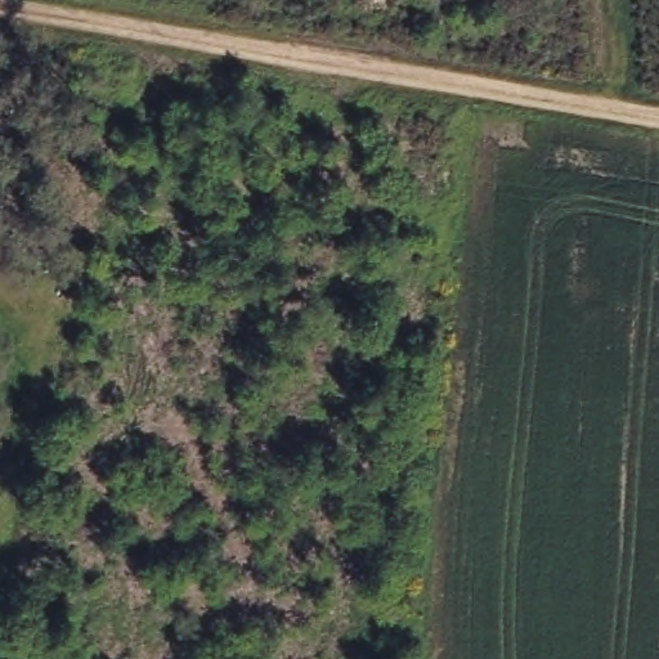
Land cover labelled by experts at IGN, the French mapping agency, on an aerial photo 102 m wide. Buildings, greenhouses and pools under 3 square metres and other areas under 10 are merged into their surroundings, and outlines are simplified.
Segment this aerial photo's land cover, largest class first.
<instances>
[{"label":"agricultural land","instance_id":"1","mask_svg":"<svg viewBox=\"0 0 659 659\"><path fill-rule=\"evenodd\" d=\"M458 108L466 116V134L474 139L469 175V216L463 239L461 291L458 319H466V332L458 337V345L453 350V358L458 363L453 366L456 371L450 378V404L443 417L445 445L440 453L443 458L435 497L432 551V559L443 564V602H430L427 618V623L443 636L440 659H659V126H636L623 121L589 118L463 95L458 100ZM18 512V507L10 494L0 489V584L8 566L31 569L39 559L31 535H13V515Z\"/></svg>","mask_w":659,"mask_h":659},{"label":"deciduous trees","instance_id":"2","mask_svg":"<svg viewBox=\"0 0 659 659\"><path fill-rule=\"evenodd\" d=\"M245 100L239 111L221 116V111L206 113L193 111L185 103H172L165 113L162 142L154 144L152 139H139L126 154L111 152L100 157L103 165L108 162L134 167L142 172L152 167L157 172L154 196H129L124 201V219L108 214L103 203L98 206L95 234H103L106 245L100 252H82V275H93L95 281L88 286L80 301H72L67 319H80L82 324H88V332L80 342L85 348L98 350V355L111 358L108 330H118L131 317L134 306L144 299H152L160 309L175 311L172 335L162 342V355L178 345L190 348L198 332L206 337L221 335V330L237 317L239 306L252 301H268L270 311L260 324V332L270 345L273 360L270 368L255 366V384L242 389V394L232 402L227 399V389L221 381H206V399L201 402L185 396H175L172 402L175 409L183 414L188 430L196 435L206 479H211L227 497L219 512H214L209 499L190 484L183 445L167 443L165 438H157L142 461L121 463L111 479L100 481L88 463V453L77 458L70 450V438L75 435V430H93V412L51 422L33 445V456L44 466V476L26 489H13L10 494L18 507V512L13 515V535H49L75 530L85 520L88 510L100 499L113 507V535L106 543H98V551L108 548L126 556L129 546H134L136 541H157L165 533L183 541L190 538L201 525L209 533V548L198 559L134 571V579L149 592V597H154L160 608L170 605L178 597H183L188 608L201 615L206 613V608H221L224 602H229L232 597L227 592L237 582H247L239 571L229 569L232 559L224 556V541L239 533L247 530L250 538H275L278 533H283L286 538H291L296 528H301L306 523V515L314 507H322L324 517L332 525V535L345 548L371 546L376 551V559L386 566L391 561V551L396 546L399 533L412 520V507H407L402 499L409 492V481L417 479L420 471L427 466V458L412 456V440L386 443L384 438L394 430L399 417L409 414V396L422 391L425 386V373L414 368L417 355L399 353V348L394 345V335L402 317H432L438 322L435 342L448 345L453 350L458 345V337L466 332V319H458L461 291L443 293L432 286L425 288L420 296L417 288H396L381 304L378 319L371 324V330H342L340 314L324 296V286L335 275L337 252L330 242V234L345 232V214L358 206L355 193L342 188L345 180L340 178V170L324 167L330 147L309 149L306 144H299L301 113L286 100L283 90L273 85L245 88L239 82ZM172 201H183L193 211H198L201 224L206 227L201 237L188 239V247H180V224L170 211ZM160 227L170 232V250L160 257L154 281L144 283L139 275L113 278L111 273L121 265V257L116 255L118 245L126 237L154 232ZM335 348L360 353L363 358H378L381 366H386V394L371 402L368 407L360 404L353 409V417L337 432V448L332 456L322 458V450L314 445L311 453H301L296 458V471L291 466L278 469L273 463L275 458L268 450V438L281 427L286 417L314 422L324 420L327 412L319 404V394H337V384L327 373V363ZM62 363L49 368L54 394H59L64 389V381L72 378L77 371H88V376L93 378L103 373L98 363L80 360V342H67L59 358ZM70 571H54L36 584H28L23 610L10 618L0 615V659H98V654H103L100 638L90 636L88 628L85 623H72L70 638H64L57 649H49L44 610L57 595L70 592ZM278 646V638L263 636L260 631H247L229 646L206 644L196 654V659H275L273 651Z\"/></svg>","mask_w":659,"mask_h":659},{"label":"herbaceous vegetation","instance_id":"3","mask_svg":"<svg viewBox=\"0 0 659 659\"><path fill-rule=\"evenodd\" d=\"M201 28L214 33L363 54L402 64L494 77L564 93L620 98L659 108V95L638 85L636 75H628L633 15L628 0H579L584 70L582 77L571 80L551 70L474 62L469 54L445 49L443 41H479L484 36H499V31L507 23L502 8H492L484 23H474L469 13L445 15L435 26H430L427 33L412 36L404 44H394L384 36H350L345 28L301 33L291 21L232 23L221 15H214L201 0H26ZM72 41H77V51H72L67 59L93 64L100 75L93 98L106 100L111 106L103 129V139L111 152L126 154L139 139H152L154 144L162 142L165 113L172 103H185L193 111L206 113L221 111V116L239 111L245 100L239 82L245 88L273 85L283 90L286 100L301 113L319 116L332 126L335 142L330 147L324 167L340 170V178L345 180L342 188L355 193L358 206L386 209L396 216H404L407 221L417 216L422 227H430L438 234L440 252H450L463 239L469 216V175L474 139L466 134V116L458 108V100L463 95L368 82L345 75L304 72L265 62H245L232 54H206L111 33L77 31L72 36ZM340 100L381 113L378 129L363 126L360 134V144L368 157L366 170L376 172L384 165L391 167L389 178H384L373 190H363L358 175L348 162L350 152L345 116L337 108ZM72 301L54 288V281L49 275L31 278L0 270V363L8 371V384H13V389L8 391V404L13 409V422H18V438H3L0 443V489L10 494L13 489H26L44 476V466L33 456V445L51 422L93 412V430H75V435L70 438V450L77 458L88 453V463L100 481L111 479L121 463L142 461L157 438H165L167 443L183 445L190 484L209 499L214 512H219L227 497L211 479H206L196 435L188 430L183 414L175 409L172 402L175 396H185L201 402L206 399V381H221V373L216 368V350L221 345V335L206 337L198 332L190 348L178 345L162 355V342L172 335L175 311L160 309L152 299H144L134 306L131 317L118 330H108L111 358L98 355V350L85 348L80 342L88 332V324H82L80 319H67ZM67 342H80V360L98 363L103 373L93 378L88 376V371H77L72 378L64 381V389L59 394H54L49 368L62 363L59 358ZM113 535V507L100 499L88 510L85 520L75 530L49 535L51 543L67 548L80 566L95 569L98 582L108 589V605L100 608V620L90 623L88 628L90 636L100 638L103 654H98V659H196V654L206 644L229 646L247 631L252 620L263 618L281 626L278 638V646L273 651L275 659H317L314 644L306 641V636L299 628H283V610L296 605L299 592L286 595L283 589L260 587L252 579L247 582H237L227 592L232 597L229 602H224L221 608H206V613L201 615V626L190 631L185 638H180L175 626H170V605L160 608L154 597H149V592L134 579V571L198 559L209 548V533L201 525L190 538L183 541L165 533L157 541H136L134 546H129L126 556L108 548L98 551V543H106ZM301 528L314 530L319 541L332 535V525L324 517L322 507H314L306 515V523ZM250 548L245 546L239 533L224 541V556L232 559L239 564L247 561Z\"/></svg>","mask_w":659,"mask_h":659},{"label":"coniferous trees","instance_id":"4","mask_svg":"<svg viewBox=\"0 0 659 659\"><path fill-rule=\"evenodd\" d=\"M214 15H221L232 23L291 21L301 33L345 28L350 36H384L394 44H404L412 36L427 33L430 26H435L445 15L469 13L474 23H484L492 8H502L507 23L499 31V36H484L479 41H443L445 49L469 54L474 62L551 70L571 80L582 77L584 70L579 0H201ZM77 31L28 21H5L0 15V270L31 278L49 275L54 281V288L72 301H80L88 286L95 281L93 275H82V252H100L106 245L103 234H95L98 206L103 203L108 214L124 219V201L129 196H154L157 172L152 167L142 172L134 167L108 162L103 165L100 157L111 152L103 139V129L111 106L106 100L93 98L100 75L93 64L67 59L72 51H77V41H72V36ZM170 211L180 224V247H188V239L201 237L206 227L201 224L198 211H193L183 201H172ZM170 250V232L160 227L154 232L126 237L118 245L116 255L121 257V265L111 273L113 278L139 275L144 283L154 281L160 257ZM396 288L394 281L363 283L358 278L335 275L324 286V296L340 314L342 330H371V324L378 319L381 304ZM270 311L268 301H252L239 306L237 317L221 330V345L216 350V368L221 373V381L227 389V399L232 402L242 394V389L255 384V366L270 368L273 360L270 345L260 332V324ZM438 322L432 317H402L394 335V345L399 348V353L417 355H427L435 342ZM327 373L337 384V394H319V404L327 412L324 420L314 422L286 417L281 427L268 438V450L275 458L273 463L278 469L291 466L296 471V458L301 453H311L314 445L322 450V458L332 456L337 448V432L353 417V409L360 404L368 407L371 402L386 394V366H381L378 358H363L360 353L335 348L327 363ZM13 389V384H8V371L0 363V443L3 438H18V422H13V409L8 404V391ZM31 535L39 559L31 569L8 566L0 584V615L10 618L23 610L28 584H36L54 571H70V592L57 595L44 610L49 649H57L64 638H70L72 623H85L88 628L90 623L100 620V608L108 605V589L98 582L95 569L80 566L67 548L51 543L49 535ZM247 631H260L263 636L278 638L281 626L263 618L252 620Z\"/></svg>","mask_w":659,"mask_h":659},{"label":"brushwood","instance_id":"5","mask_svg":"<svg viewBox=\"0 0 659 659\"><path fill-rule=\"evenodd\" d=\"M633 15L628 75H636L638 85L659 95V0H628ZM337 108L345 116L350 152L348 162L358 175L363 190H373L384 178H389L391 167L384 165L376 172L366 170L368 157L360 144V134L363 126L378 129L381 113L340 100ZM335 142L332 126L319 116L301 113L299 144H306L309 149L330 147ZM330 242L337 252L335 275L358 278L363 283L394 281L396 288H417L420 296L425 288L432 286L443 293L461 291L463 239L450 252H440L438 234L430 227H422L417 216L407 221L404 216H396L386 209L358 206L345 214V232L330 234ZM458 363L453 358V350L448 345L435 342L427 355H417L414 368L425 373V386L422 391L409 396V414L399 417L394 430L384 438L386 443L412 440V456L427 458V466L420 471L417 479L409 481V492L402 499L407 507H412V520L399 533L396 546L391 551V561L386 566L376 559V551L371 546L345 548L332 535L319 541L314 530L301 528H296L291 538H286L283 533H278L275 538H250L247 530L239 533L245 546L250 548L247 561L239 564L232 559L229 569L239 571L247 582L252 579L260 587L283 589L286 595L299 592L296 605L283 610V628H299L306 636V641L314 644L317 659H440L443 636L427 623V618L430 602H443V564L432 559V551L435 497L443 458L440 453L445 445L443 417L450 404V378L456 371L453 366ZM170 626H175L180 638H185L190 631L201 626V615L188 608L183 597H178L170 605Z\"/></svg>","mask_w":659,"mask_h":659},{"label":"pervious surface","instance_id":"6","mask_svg":"<svg viewBox=\"0 0 659 659\"><path fill-rule=\"evenodd\" d=\"M0 15L5 21H28L77 31L111 33L206 54H232L245 62H265L304 72L345 75L368 82L463 95L589 118L623 121L636 126H659V108L620 98L564 93L494 77L402 64L363 54L214 33L201 28L26 0H0Z\"/></svg>","mask_w":659,"mask_h":659}]
</instances>
